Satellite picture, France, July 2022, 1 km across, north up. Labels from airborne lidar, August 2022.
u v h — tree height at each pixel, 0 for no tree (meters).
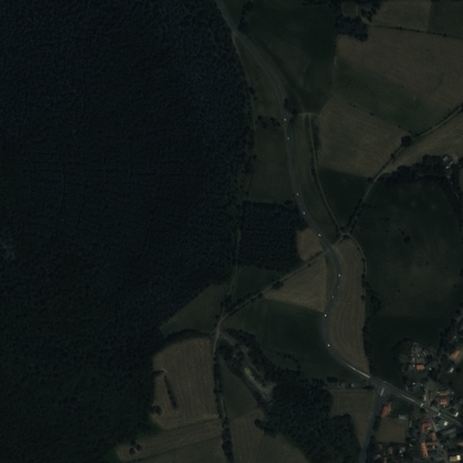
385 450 0
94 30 30
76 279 15
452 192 26
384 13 0
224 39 14
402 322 0
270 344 0
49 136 18
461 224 12
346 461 6
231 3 0
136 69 25
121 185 17
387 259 0
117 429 11
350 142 0
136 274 20
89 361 11
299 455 0
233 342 0
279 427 7
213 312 0
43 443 10
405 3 0
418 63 0
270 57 0
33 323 13
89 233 13
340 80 0
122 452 0
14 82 17
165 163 24
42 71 22
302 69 0
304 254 0
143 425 12
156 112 24
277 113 0
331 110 0
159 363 0
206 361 0
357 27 18
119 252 19
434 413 0
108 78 20
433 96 0
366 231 0
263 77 0
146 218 20
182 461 0
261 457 0
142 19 24
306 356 0
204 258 14
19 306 12
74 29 26
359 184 0
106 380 7
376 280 0
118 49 23
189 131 22
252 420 0
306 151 0
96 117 21
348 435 11
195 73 22
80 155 17
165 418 0
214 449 0
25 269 19
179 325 0
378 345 0
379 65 0
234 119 21
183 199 23
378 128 0
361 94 0
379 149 0
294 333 0
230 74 20
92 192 17
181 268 11
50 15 31
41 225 17
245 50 0
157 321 16
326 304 0
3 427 10
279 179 0
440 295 0
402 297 0
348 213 0
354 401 0
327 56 0
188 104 21
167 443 0
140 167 20
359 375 0
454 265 0
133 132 21
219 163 20
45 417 8
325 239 0
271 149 0
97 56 20
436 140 0
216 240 21
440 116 0
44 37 24
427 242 0
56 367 17
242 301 10
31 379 7
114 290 22
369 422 0
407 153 0
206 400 0
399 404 0
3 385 10
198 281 12
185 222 25
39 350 17
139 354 11
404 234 8
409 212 0
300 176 0
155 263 23
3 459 11
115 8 25
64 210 17
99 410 16
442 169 13
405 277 0
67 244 7
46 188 16
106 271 17
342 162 0
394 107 0
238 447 0
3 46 34
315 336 0
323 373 0
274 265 8
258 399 7
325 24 0
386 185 12
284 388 9
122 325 17
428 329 0
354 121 0
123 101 21
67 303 15
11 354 7
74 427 12
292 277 0
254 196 0
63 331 13
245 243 10
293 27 0
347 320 0
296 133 0
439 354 9
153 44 21
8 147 14
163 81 24
